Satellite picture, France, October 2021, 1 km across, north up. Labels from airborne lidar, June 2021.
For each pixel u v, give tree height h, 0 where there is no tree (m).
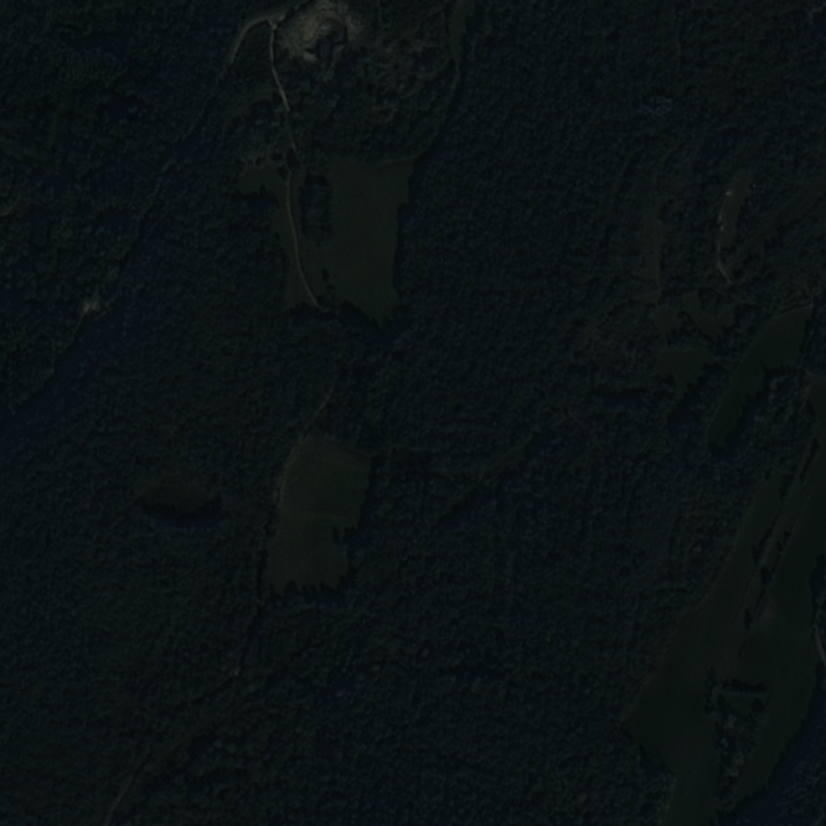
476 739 5
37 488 8
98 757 12
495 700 17
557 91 14
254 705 9
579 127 10
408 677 14
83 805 13
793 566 0
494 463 11
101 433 8
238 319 11
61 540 10
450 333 12
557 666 21
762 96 13
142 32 22
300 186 0
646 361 6
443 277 9
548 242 8
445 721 13
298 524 0
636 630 11
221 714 11
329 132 17
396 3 9
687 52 15
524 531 22
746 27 9
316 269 0
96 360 8
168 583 6
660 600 18
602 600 14
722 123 14
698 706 0
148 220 11
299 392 18
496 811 6
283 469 13
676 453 9
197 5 10
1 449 10
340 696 24
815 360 17
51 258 17
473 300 7
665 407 16
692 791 0
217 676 11
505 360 10
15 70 15
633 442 17
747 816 10
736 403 0
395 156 12
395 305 0
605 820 12
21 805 8
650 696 0
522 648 15
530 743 14
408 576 16
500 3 12
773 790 0
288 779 15
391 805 16
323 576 0
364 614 13
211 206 10
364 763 7
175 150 8
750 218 11
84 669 9
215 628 9
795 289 7
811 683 0
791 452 13
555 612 13
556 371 10
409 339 11
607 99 8
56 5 20
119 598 11
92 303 0
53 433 14
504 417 13
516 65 21
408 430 12
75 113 12
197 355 12
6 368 27
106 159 20
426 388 10
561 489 17
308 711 12
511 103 9
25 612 13
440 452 11
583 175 8
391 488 13
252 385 12
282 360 17
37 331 24
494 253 8
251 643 14
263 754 18
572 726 13
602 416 8
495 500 9
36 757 15
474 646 15
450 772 13
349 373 11
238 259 13
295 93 13
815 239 7
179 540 13
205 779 10
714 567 12
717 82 16
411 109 16
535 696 9
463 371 11
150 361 11
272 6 7
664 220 8
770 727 0
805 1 23
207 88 16
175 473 15
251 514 13
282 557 0
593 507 17
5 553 13
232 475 13
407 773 10
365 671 18
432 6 9
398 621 17
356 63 15
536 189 8
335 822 20
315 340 16
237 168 11
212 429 14
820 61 17
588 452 10
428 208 14
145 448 13
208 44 9
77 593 10
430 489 15
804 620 0
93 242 17
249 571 12
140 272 10
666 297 9
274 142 8
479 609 16
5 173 12
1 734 21
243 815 18
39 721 14
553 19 11
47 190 16
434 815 13
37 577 15
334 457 0
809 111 7
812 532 0
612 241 9
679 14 7
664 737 0
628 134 15
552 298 11
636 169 10
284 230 0
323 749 8
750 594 0
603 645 10
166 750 9
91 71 21
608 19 12
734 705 0
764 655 0
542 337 12
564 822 13
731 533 13
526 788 6
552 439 15
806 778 15
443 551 12
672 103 19
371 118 19
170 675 13
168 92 21
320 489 0
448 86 15
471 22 0
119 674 6
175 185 8
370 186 0
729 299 8
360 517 0
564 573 16
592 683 21
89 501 9
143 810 12
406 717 17
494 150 7
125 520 9
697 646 0
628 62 10
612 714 13
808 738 6
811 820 18
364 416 25
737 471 13
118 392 11
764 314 11
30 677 13
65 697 12
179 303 9
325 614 15
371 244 0
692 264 9
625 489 12
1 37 18
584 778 11
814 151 8
